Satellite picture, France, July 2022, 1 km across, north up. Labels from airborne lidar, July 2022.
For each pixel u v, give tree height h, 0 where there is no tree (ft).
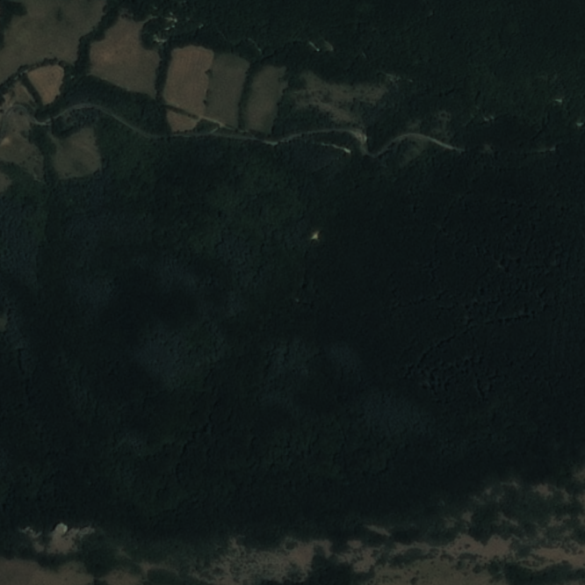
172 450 71
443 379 67
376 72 34
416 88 26
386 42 44
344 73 62
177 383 31
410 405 68
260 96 0
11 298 46
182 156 51
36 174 0
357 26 33
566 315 62
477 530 23
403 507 46
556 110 56
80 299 49
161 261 63
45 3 0
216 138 26
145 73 0
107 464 29
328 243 85
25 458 62
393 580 0
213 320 45
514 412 61
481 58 50
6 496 18
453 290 66
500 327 70
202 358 51
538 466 41
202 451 48
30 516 74
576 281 65
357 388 77
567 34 63
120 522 57
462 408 70
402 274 65
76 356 78
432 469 58
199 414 73
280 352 51
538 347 68
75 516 54
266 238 30
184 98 0
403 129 32
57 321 52
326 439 49
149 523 40
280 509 64
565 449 40
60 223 54
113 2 47
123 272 56
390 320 73
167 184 46
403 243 57
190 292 64
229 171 22
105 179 43
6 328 23
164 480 50
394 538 21
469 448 43
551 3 43
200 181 50
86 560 19
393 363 82
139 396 41
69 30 0
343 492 71
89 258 51
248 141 26
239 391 97
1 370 80
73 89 32
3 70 0
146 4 54
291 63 34
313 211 32
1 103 28
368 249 63
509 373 51
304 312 72
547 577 34
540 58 62
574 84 35
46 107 36
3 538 18
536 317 70
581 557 0
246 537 22
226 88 0
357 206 72
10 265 37
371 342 78
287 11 52
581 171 61
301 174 38
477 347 65
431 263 62
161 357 56
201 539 26
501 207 64
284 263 42
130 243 52
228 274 52
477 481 38
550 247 63
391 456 34
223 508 43
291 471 20
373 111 27
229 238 52
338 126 28
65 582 0
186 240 38
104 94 41
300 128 30
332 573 40
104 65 0
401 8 41
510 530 23
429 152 30
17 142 0
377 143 66
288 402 60
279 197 35
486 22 56
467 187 66
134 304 49
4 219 46
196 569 24
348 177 60
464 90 60
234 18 52
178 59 0
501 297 76
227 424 64
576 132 55
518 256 67
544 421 39
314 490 72
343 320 63
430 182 49
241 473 51
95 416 31
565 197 52
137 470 45
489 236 64
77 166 0
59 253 65
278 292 59
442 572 0
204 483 39
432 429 53
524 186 59
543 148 32
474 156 43
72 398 49
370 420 55
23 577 0
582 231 53
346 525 24
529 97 60
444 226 63
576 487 19
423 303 70
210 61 0
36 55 0
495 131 46
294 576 28
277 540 27
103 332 47
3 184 0
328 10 56
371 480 68
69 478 62
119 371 52
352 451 36
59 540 0
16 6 38
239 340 59
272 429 66
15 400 58
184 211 52
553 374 51
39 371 59
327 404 83
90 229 50
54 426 71
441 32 66
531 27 57
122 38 0
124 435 41
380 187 47
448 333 77
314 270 87
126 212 52
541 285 82
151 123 35
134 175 33
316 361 66
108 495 58
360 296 66
